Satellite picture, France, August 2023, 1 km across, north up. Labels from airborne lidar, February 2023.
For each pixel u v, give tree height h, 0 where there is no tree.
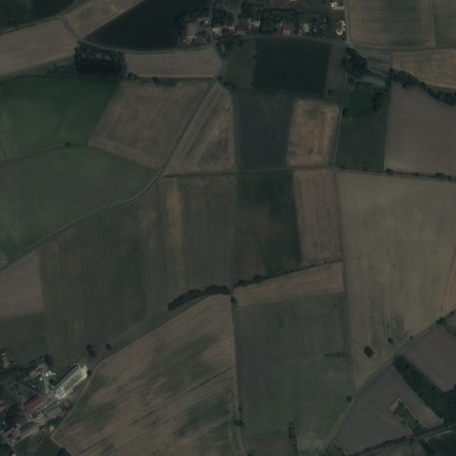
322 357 0
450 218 0
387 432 0
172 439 0
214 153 0
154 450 0
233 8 0
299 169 0
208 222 0
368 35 0
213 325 0
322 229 0
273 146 0
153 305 0
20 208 0
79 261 0
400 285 0
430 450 0
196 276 0
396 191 0
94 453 0
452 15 0
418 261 0
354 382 0
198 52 0
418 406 0
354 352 0
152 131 0
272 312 0
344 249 0
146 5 0
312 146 0
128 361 0
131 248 0
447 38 0
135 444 0
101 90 0
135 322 0
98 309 0
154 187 0
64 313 0
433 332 0
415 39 0
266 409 0
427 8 0
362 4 0
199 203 0
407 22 0
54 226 0
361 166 0
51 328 0
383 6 0
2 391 9
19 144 0
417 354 0
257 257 0
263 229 0
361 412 0
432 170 0
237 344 0
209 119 0
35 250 0
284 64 0
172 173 0
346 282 0
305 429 0
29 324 0
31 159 0
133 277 0
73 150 0
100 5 0
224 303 0
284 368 0
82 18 0
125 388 0
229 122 0
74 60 0
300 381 0
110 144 0
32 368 0
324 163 0
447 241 0
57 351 0
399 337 0
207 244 0
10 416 8
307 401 0
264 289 0
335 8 0
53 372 0
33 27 0
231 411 0
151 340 0
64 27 0
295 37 0
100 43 0
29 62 0
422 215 0
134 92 0
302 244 0
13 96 0
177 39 0
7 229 0
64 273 0
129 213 0
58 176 0
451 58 0
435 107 0
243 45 6
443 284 0
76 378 0
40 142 0
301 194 0
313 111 0
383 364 0
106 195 0
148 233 0
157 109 0
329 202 0
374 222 0
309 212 0
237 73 0
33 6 0
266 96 0
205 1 0
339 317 0
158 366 0
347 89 0
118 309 0
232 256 0
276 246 0
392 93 0
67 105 0
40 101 0
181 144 0
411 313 0
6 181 0
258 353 0
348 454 0
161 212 0
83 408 0
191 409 0
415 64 0
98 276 0
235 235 0
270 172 0
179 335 0
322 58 0
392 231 0
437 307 0
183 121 0
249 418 0
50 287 0
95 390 0
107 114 0
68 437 0
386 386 0
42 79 0
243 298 0
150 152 0
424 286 0
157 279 0
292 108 0
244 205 0
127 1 0
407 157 0
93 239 0
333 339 0
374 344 0
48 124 0
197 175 0
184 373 0
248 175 0
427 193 0
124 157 0
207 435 0
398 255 0
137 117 0
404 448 0
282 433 0
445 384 0
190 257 0
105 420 0
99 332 0
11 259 0
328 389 0
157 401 0
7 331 0
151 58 0
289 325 0
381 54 0
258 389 0
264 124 0
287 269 0
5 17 0
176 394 0
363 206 0
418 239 0
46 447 0
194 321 0
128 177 0
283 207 0
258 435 0
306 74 0
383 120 0
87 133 0
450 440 0
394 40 0
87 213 0
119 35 0
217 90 0
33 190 0
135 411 0
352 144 0
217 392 0
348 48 0
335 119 0
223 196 0
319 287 0
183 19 15
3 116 0
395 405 0
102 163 0
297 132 0
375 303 0
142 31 0
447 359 0
